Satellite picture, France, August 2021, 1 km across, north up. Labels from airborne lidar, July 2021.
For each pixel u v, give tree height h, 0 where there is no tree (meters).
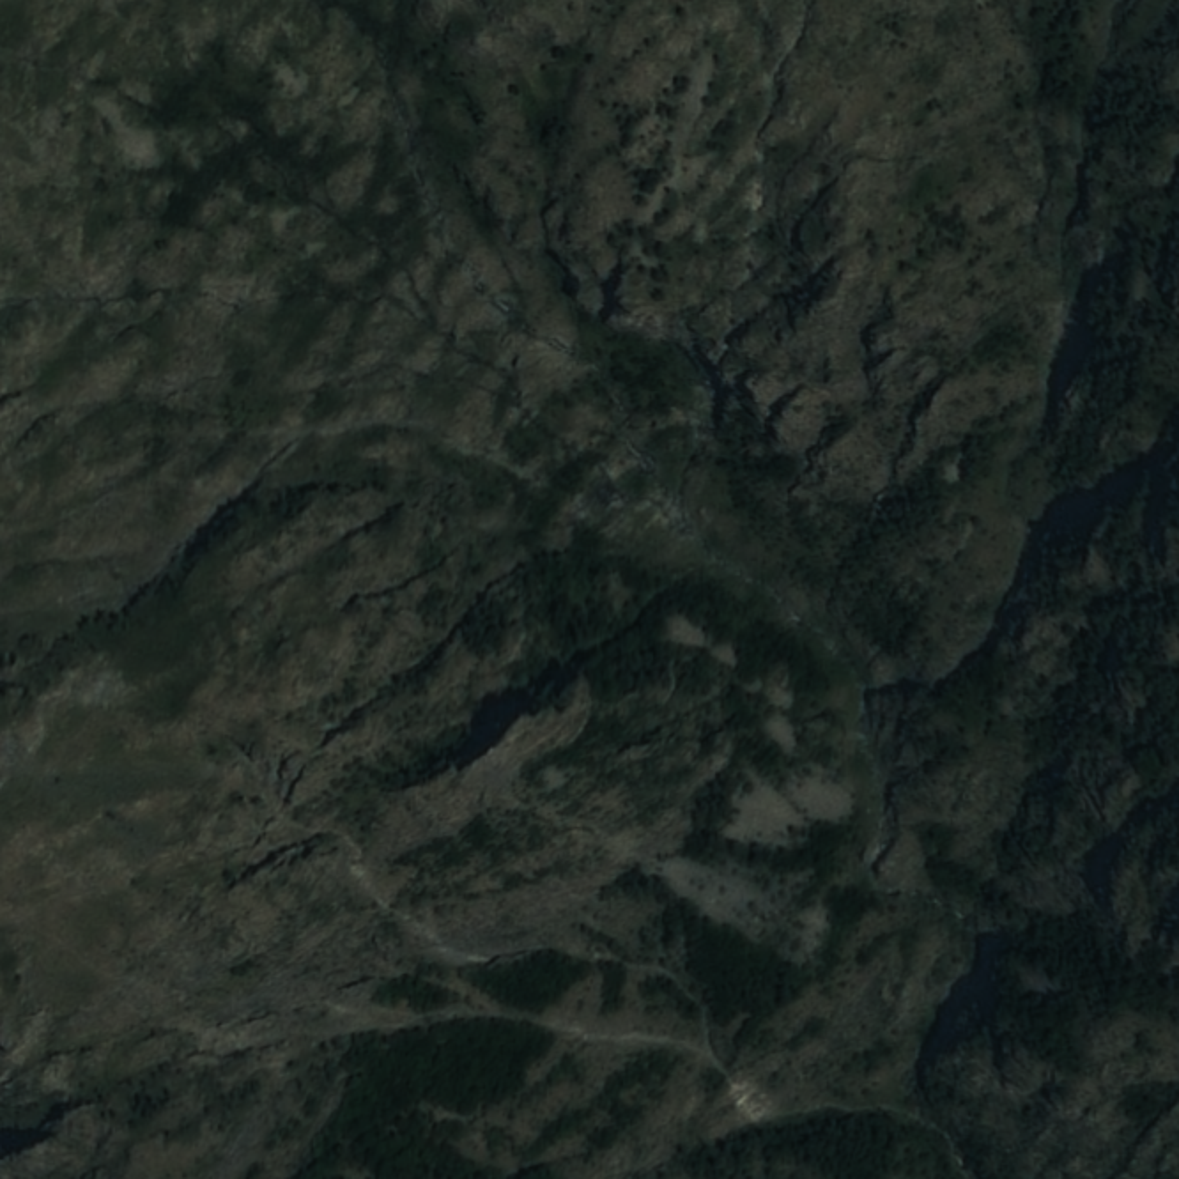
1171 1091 11
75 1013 0
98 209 0
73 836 0
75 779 0
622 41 0
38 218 0
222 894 0
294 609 0
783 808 0
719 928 12
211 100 0
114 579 0
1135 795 13
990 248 6
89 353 0
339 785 9
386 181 0
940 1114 12
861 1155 21
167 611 0
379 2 0
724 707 11
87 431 0
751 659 13
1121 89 21
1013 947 10
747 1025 12
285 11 0
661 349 10
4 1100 9
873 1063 7
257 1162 9
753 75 0
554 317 0
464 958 0
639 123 7
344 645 0
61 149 0
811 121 0
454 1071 10
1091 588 13
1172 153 0
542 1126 6
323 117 0
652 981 9
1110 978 8
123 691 0
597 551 7
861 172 0
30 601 0
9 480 0
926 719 7
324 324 0
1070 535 10
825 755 6
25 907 0
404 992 13
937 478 23
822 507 6
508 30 0
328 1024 0
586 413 0
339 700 6
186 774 0
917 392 7
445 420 0
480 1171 14
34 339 0
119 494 0
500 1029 15
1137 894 8
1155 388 7
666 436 13
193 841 0
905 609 7
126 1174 0
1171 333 20
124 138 0
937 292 6
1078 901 8
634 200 7
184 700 0
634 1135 11
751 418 9
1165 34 8
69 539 0
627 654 9
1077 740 7
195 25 0
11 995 0
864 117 0
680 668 8
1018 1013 10
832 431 11
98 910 0
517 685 12
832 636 0
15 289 0
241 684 0
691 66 0
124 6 0
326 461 0
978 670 13
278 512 7
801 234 20
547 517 7
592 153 0
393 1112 14
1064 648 6
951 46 0
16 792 0
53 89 0
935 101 9
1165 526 8
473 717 6
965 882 8
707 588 7
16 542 0
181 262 11
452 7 0
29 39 0
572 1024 0
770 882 8
